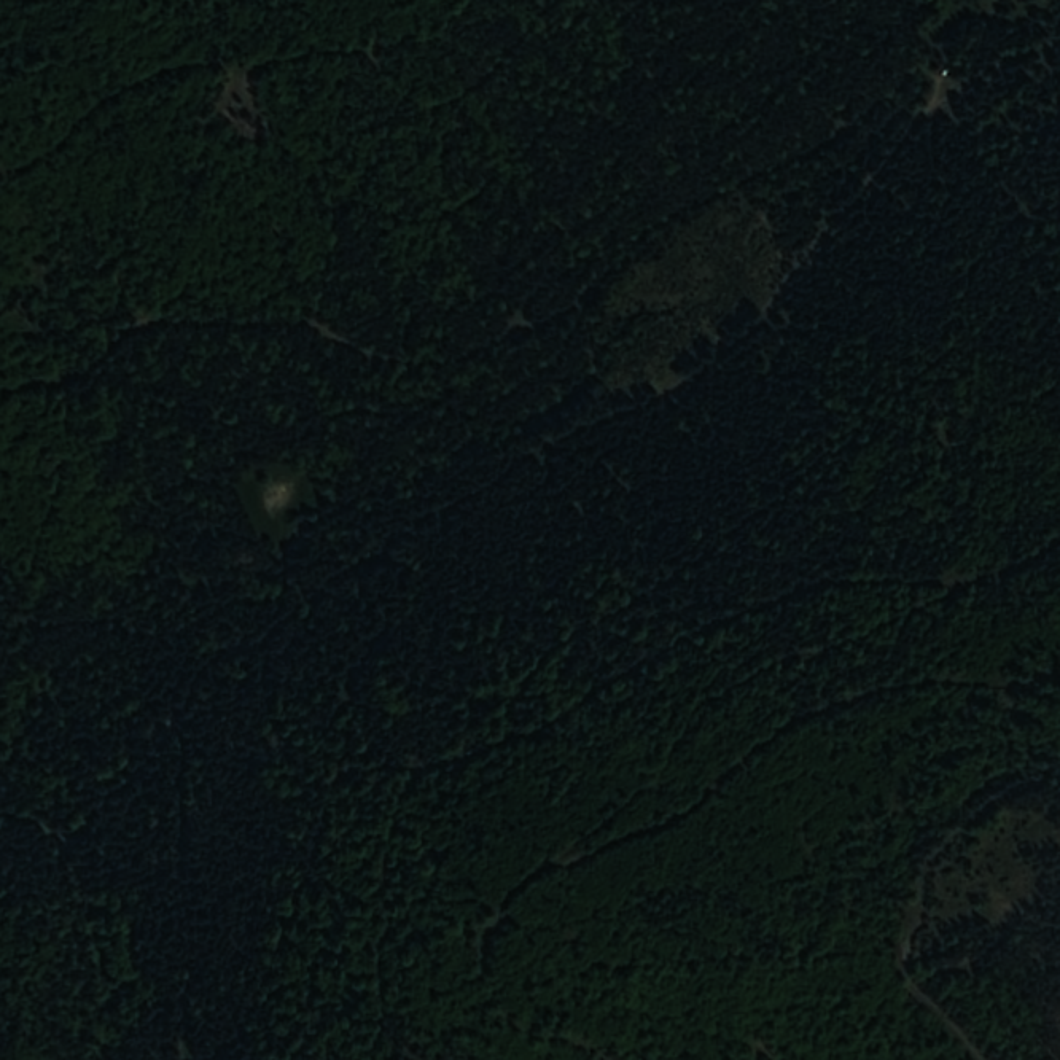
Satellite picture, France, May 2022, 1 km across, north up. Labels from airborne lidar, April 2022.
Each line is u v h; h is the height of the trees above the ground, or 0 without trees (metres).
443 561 27
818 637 13
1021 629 9
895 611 14
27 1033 14
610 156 22
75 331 18
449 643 15
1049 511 10
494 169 21
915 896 14
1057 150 23
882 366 16
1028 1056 20
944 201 12
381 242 12
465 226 23
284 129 12
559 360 24
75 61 10
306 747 26
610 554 20
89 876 22
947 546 14
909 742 23
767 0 22
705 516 16
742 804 10
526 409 22
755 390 13
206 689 26
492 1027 17
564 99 22
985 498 13
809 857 6
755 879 10
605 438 20
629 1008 12
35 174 15
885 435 18
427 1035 17
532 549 17
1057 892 23
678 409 20
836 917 15
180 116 15
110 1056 22
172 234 16
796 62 20
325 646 29
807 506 19
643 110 19
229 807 28
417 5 13
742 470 22
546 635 21
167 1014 31
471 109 17
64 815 17
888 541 17
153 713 32
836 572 17
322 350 13
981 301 15
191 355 21
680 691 11
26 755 24
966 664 12
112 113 13
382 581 27
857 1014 16
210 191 10
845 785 9
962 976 14
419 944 10
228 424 24
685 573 15
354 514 32
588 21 22
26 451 13
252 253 15
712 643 16
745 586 20
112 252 15
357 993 7
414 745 9
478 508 26
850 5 17
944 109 0
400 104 21
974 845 15
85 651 24
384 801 17
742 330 24
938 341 17
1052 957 19
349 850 7
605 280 18
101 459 26
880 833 8
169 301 15
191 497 26
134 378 22
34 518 13
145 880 33
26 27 10
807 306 16
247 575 26
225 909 30
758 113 23
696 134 20
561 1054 13
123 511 25
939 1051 11
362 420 23
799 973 7
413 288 20
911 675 13
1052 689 20
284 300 14
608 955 8
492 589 20
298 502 0
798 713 8
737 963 9
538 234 18
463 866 11
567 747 15
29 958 19
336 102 13
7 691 21
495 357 22
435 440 25
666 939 14
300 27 12
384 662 21
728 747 10
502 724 13
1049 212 23
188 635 28
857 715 9
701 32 23
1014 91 23
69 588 23
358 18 14
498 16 20
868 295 13
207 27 9
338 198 13
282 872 26
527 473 25
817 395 16
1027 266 19
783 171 23
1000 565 11
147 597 21
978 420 12
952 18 0
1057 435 11
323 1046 10
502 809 9
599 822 9
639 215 26
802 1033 13
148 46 14
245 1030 17
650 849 10
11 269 13
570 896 9
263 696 18
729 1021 16
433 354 16
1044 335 12
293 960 15
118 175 13
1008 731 26
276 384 24
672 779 12
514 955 11
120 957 24
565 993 8
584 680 21
